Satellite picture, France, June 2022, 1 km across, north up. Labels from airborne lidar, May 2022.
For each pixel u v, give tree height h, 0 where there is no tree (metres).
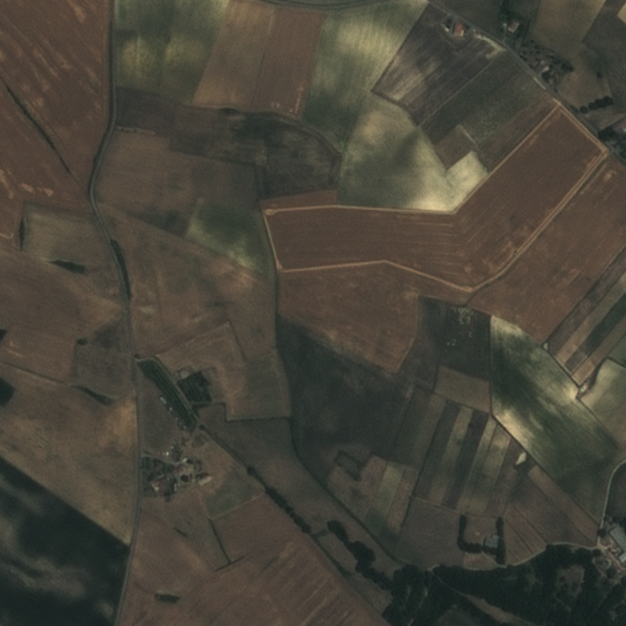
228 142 0
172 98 0
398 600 11
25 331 0
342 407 0
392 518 0
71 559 0
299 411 0
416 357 0
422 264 0
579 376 0
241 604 0
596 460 0
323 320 0
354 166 0
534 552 0
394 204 0
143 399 0
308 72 0
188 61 0
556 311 0
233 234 0
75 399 0
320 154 0
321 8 0
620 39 0
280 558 0
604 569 0
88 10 0
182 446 0
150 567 0
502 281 0
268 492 8
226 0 0
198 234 0
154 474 6
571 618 11
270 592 0
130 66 0
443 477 0
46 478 0
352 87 0
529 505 0
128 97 0
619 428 0
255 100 0
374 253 0
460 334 0
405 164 0
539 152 0
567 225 0
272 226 0
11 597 0
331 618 0
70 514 0
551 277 0
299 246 0
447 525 0
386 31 0
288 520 0
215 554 0
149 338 0
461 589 14
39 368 0
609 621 10
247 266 0
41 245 0
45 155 0
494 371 0
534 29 0
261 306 0
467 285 0
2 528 0
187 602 0
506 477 0
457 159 0
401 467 0
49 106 0
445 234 0
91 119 0
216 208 0
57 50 0
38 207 0
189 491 0
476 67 0
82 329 0
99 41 0
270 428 0
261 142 0
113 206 0
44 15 0
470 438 0
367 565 14
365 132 0
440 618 8
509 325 0
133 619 0
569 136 0
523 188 0
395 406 0
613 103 10
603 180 0
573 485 0
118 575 0
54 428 0
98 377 0
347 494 0
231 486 0
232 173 0
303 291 0
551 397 0
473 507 0
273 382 0
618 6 0
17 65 0
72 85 0
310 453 0
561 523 0
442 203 0
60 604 0
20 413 0
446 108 0
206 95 0
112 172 0
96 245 0
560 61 8
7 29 0
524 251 0
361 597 0
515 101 0
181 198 0
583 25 0
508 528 0
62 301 0
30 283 0
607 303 0
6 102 0
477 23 0
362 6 0
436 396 0
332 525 14
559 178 0
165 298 0
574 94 0
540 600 11
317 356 0
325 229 0
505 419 0
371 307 0
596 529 0
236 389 0
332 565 0
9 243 0
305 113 0
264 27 0
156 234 0
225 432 0
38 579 0
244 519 0
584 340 0
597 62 0
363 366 0
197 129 0
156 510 0
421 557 0
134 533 0
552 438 0
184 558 0
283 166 0
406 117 0
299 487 0
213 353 0
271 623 0
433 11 0
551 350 0
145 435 0
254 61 0
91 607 0
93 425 0
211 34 0
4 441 0
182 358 0
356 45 0
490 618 17
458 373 0
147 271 0
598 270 0
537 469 0
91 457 0
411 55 0
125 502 0
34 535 0
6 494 0
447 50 0
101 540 0
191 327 0
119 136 0
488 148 0
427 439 0
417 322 0
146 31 0
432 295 0
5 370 0
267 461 0
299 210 0
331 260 0
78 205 0
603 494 0
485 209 0
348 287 0
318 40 0
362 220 0
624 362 0
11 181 0
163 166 0
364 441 0
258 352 0
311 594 0
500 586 10
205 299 0
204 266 0
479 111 0
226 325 0
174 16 0
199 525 0
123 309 0
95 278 0
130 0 0
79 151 0
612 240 0
